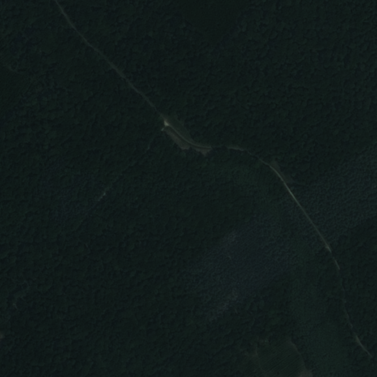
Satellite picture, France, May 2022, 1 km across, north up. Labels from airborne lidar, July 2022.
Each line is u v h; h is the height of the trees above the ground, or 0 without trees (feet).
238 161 64
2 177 79
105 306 93
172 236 93
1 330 97
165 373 92
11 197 52
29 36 100
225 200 82
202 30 28
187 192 75
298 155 77
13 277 21
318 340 65
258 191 65
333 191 118
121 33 105
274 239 89
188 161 79
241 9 35
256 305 89
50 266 81
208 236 94
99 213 80
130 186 84
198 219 105
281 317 77
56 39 84
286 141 99
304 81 96
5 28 36
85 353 82
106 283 88
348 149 95
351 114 58
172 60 101
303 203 81
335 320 76
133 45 114
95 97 91
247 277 72
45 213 86
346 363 65
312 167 85
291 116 91
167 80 107
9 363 81
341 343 71
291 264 91
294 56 108
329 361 65
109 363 77
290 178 0
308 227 112
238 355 98
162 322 93
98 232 88
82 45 63
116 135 83
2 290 95
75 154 82
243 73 85
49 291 61
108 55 95
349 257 68
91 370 92
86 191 98
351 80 101
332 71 109
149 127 83
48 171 96
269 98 88
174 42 101
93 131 104
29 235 87
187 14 33
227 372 97
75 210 98
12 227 74
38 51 96
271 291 84
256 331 98
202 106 79
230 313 60
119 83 106
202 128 95
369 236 96
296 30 103
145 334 79
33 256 107
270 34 104
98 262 78
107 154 77
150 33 109
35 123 58
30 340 78
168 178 84
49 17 92
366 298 96
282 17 100
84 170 72
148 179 64
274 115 97
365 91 110
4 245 99
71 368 85
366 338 88
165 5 99
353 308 87
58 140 95
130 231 85
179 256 83
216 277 109
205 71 101
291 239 63
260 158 70
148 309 88
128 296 79
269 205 60
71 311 91
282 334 69
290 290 31
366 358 87
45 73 41
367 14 80
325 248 55
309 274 82
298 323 50
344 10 91
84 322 83
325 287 86
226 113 85
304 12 94
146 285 84
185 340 87
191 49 74
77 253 86
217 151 78
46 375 87
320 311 65
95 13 109
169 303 106
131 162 92
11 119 97
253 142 91
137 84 91
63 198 104
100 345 91
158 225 95
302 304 63
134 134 81
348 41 91
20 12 101
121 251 103
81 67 96
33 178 98
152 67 103
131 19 109
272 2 93
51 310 75
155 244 78
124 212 87
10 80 18
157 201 94
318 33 98
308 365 38
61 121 100
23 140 100
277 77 110
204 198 102
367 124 88
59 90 37
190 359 103
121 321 98
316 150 89
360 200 43
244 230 85
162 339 75
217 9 32
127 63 99
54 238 80
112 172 66
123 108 95
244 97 104
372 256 94
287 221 72
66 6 60
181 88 107
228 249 79
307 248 75
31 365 84
